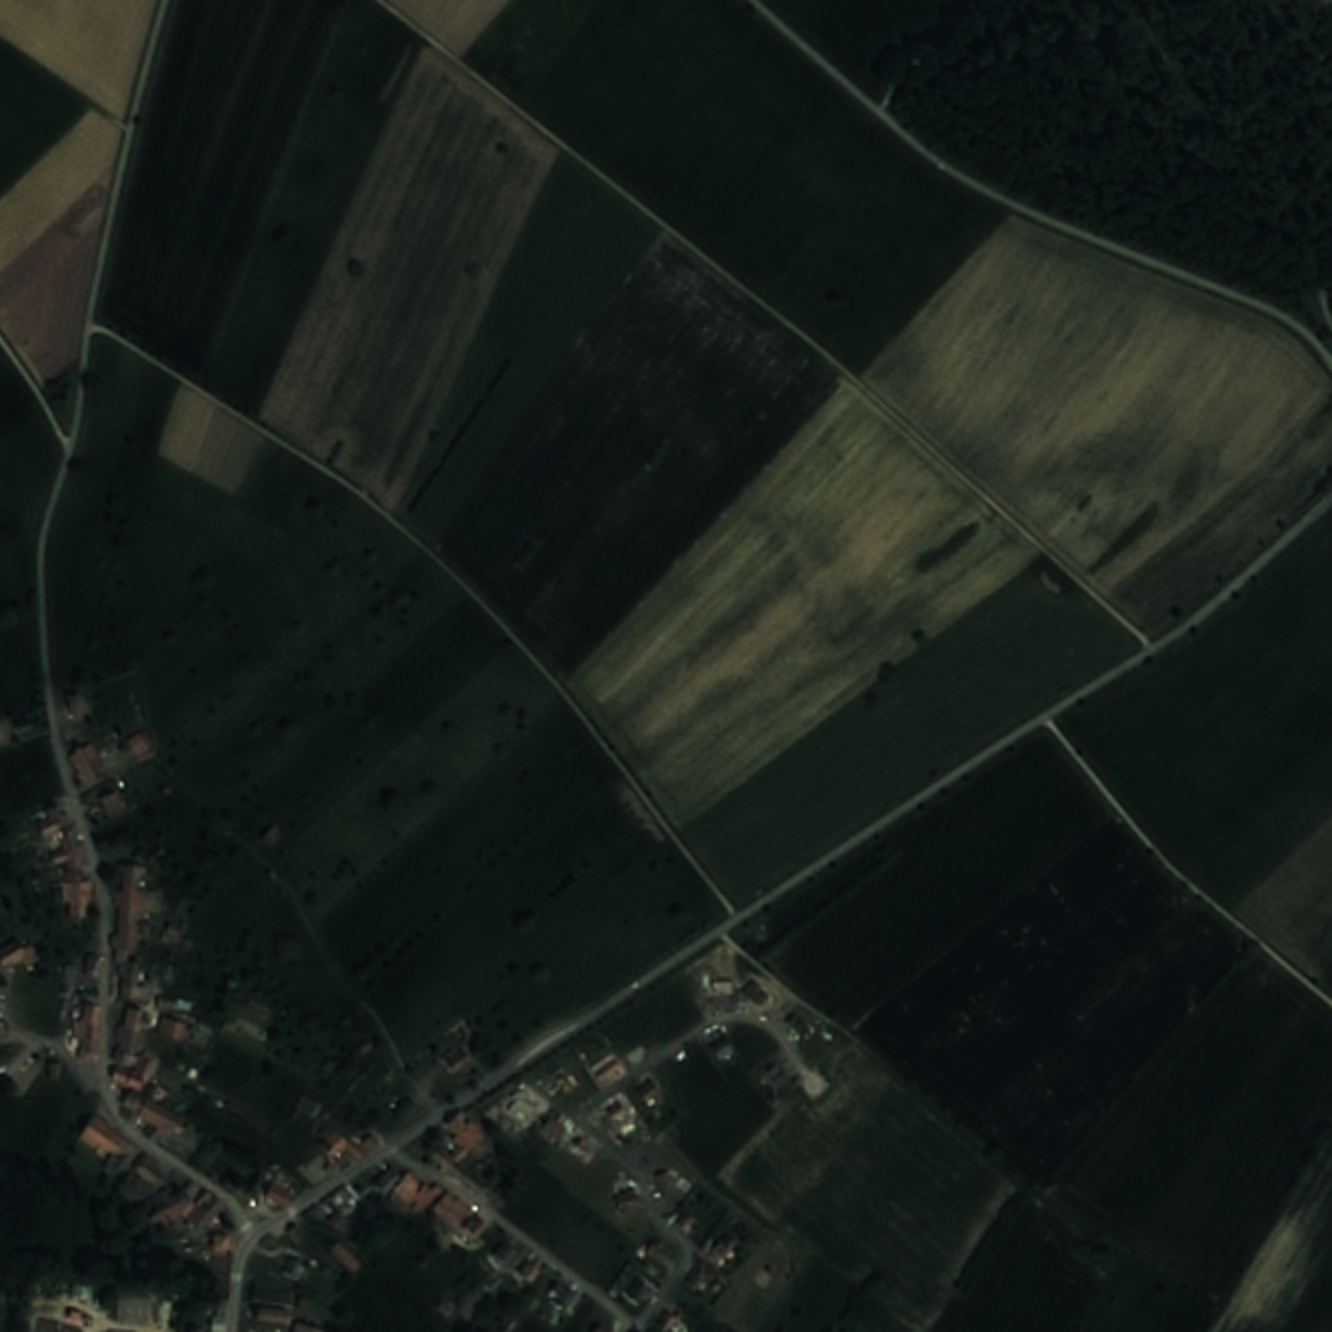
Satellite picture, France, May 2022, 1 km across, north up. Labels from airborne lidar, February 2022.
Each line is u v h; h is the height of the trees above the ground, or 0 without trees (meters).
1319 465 0
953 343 0
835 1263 0
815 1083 0
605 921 0
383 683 0
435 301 0
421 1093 0
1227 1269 0
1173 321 0
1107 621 0
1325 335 12
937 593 0
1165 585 0
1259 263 25
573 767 0
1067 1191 0
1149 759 0
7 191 0
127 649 0
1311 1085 0
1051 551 0
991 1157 8
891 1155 0
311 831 0
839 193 0
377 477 0
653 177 0
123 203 0
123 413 0
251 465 0
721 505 0
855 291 0
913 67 26
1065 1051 0
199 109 0
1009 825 0
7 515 0
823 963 0
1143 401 0
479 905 0
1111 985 0
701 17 0
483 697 0
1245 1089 0
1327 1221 0
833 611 0
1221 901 0
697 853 0
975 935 0
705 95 0
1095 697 0
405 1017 0
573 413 0
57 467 0
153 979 0
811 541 0
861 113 0
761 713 0
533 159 0
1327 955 0
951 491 0
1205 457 0
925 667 0
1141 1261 0
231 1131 0
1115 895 0
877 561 0
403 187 0
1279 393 0
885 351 0
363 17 0
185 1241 0
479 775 0
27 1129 0
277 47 0
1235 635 0
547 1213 0
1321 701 0
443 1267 0
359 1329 0
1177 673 0
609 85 0
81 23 0
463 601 0
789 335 0
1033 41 31
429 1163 7
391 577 0
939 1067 0
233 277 0
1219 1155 0
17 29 0
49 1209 0
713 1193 0
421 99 0
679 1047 0
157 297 0
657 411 0
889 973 0
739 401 0
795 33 0
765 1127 0
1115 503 0
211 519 0
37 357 0
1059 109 31
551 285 0
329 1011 0
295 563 0
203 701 0
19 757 0
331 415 0
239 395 0
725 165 0
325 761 0
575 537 0
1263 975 0
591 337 0
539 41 0
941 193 0
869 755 0
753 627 0
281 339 0
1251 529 0
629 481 0
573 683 0
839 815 0
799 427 0
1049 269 0
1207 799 0
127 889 0
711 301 0
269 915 0
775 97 0
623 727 0
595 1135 0
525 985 0
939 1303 0
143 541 0
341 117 0
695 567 0
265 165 0
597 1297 0
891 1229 0
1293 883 0
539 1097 0
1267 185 32
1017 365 0
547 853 0
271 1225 0
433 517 0
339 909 0
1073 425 0
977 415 0
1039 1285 0
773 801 0
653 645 0
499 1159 10
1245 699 0
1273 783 0
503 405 0
